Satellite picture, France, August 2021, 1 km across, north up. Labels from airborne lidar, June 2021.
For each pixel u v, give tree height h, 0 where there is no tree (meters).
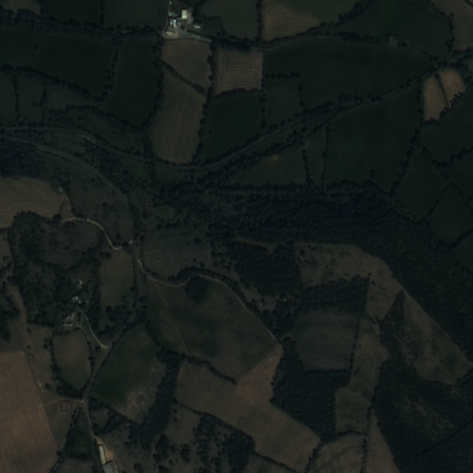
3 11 16
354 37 12
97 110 12
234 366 0
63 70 0
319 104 0
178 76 12
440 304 20
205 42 0
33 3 0
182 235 0
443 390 6
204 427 8
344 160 0
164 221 11
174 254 0
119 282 0
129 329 8
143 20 0
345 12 0
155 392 0
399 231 28
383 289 0
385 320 6
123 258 0
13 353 0
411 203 0
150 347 0
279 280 19
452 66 13
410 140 0
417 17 0
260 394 0
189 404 0
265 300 7
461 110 0
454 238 0
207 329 0
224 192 15
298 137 14
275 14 0
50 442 0
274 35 0
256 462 0
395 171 0
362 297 10
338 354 0
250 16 0
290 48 0
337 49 0
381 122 0
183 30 0
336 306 8
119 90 0
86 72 0
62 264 0
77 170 0
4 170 12
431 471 16
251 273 19
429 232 17
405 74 0
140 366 0
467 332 22
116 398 0
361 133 0
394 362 7
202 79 0
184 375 0
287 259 11
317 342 0
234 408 0
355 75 0
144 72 0
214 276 11
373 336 0
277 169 0
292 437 0
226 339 0
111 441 0
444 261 26
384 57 0
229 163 0
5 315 11
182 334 0
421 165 0
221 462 9
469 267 0
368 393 0
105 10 10
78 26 21
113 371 0
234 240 7
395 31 0
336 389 11
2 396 0
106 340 0
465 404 6
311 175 14
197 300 12
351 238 11
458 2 0
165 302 0
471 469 9
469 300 30
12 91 0
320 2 0
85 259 10
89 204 0
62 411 0
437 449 13
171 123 0
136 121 0
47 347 12
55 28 22
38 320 12
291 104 0
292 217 14
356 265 0
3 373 0
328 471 0
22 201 0
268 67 0
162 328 0
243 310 0
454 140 0
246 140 0
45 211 0
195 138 0
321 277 0
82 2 0
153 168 7
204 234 0
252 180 0
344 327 0
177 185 0
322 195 21
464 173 0
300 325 0
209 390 0
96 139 8
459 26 0
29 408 0
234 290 10
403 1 0
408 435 8
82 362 0
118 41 12
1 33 0
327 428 9
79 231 0
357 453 0
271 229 18
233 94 11
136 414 0
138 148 0
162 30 10
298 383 11
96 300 12
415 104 0
